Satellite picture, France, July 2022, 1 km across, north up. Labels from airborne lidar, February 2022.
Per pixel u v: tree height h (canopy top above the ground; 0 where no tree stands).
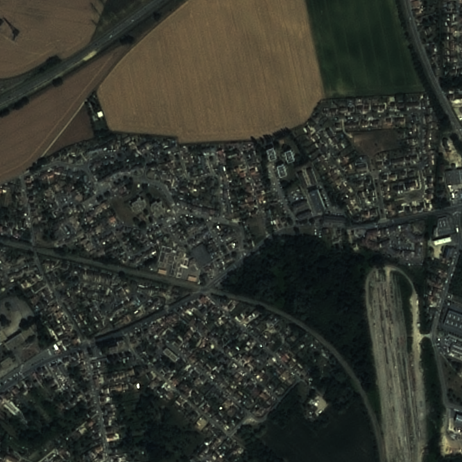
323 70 0
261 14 0
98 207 0
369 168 0
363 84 0
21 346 0
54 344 12
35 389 6
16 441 0
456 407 0
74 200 0
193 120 0
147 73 0
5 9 0
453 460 7
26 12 0
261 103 0
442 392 0
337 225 0
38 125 0
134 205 0
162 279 0
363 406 12
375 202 0
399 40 0
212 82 0
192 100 0
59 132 0
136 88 0
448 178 0
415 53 17
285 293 6
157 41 0
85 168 0
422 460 0
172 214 0
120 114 0
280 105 0
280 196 0
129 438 20
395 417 0
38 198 0
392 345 0
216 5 0
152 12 0
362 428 0
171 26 0
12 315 0
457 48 0
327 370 0
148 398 8
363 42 0
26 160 0
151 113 0
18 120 0
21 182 0
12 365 0
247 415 0
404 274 0
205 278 0
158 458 28
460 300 0
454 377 0
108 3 0
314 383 9
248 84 0
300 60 0
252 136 0
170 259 0
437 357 0
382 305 0
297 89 0
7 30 0
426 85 20
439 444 0
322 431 0
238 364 0
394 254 0
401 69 0
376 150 0
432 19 15
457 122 0
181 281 0
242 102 0
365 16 0
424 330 0
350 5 0
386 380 0
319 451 0
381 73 0
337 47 0
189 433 11
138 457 0
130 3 0
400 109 6
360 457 0
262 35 0
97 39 0
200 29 0
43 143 0
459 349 0
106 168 8
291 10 0
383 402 0
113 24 0
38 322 17
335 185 0
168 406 0
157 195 0
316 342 0
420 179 0
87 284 0
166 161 8
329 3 0
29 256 11
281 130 0
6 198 0
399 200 0
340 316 6
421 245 0
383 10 0
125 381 0
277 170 0
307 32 0
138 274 0
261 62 0
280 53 0
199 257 0
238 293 7
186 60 0
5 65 0
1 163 0
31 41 0
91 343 0
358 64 0
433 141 0
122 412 15
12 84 0
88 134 0
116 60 0
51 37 0
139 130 0
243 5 0
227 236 0
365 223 7
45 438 10
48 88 0
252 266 16
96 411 0
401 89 0
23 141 0
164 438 18
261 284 26
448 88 13
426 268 7
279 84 0
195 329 0
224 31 0
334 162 0
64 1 0
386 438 0
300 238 15
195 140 0
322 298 7
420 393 0
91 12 0
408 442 0
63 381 0
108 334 7
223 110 0
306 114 0
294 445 0
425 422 0
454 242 0
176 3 0
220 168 0
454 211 0
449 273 0
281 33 0
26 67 0
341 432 0
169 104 0
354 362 10
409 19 0
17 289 12
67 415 15
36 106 0
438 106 22
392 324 0
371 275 0
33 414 10
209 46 0
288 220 10
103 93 0
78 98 0
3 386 8
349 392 8
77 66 0
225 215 0
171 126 0
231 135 0
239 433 14
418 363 0
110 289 0
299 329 11
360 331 5
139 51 0
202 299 0
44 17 0
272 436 0
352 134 0
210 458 0
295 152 0
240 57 0
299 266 9
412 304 0
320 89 0
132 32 0
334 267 9
